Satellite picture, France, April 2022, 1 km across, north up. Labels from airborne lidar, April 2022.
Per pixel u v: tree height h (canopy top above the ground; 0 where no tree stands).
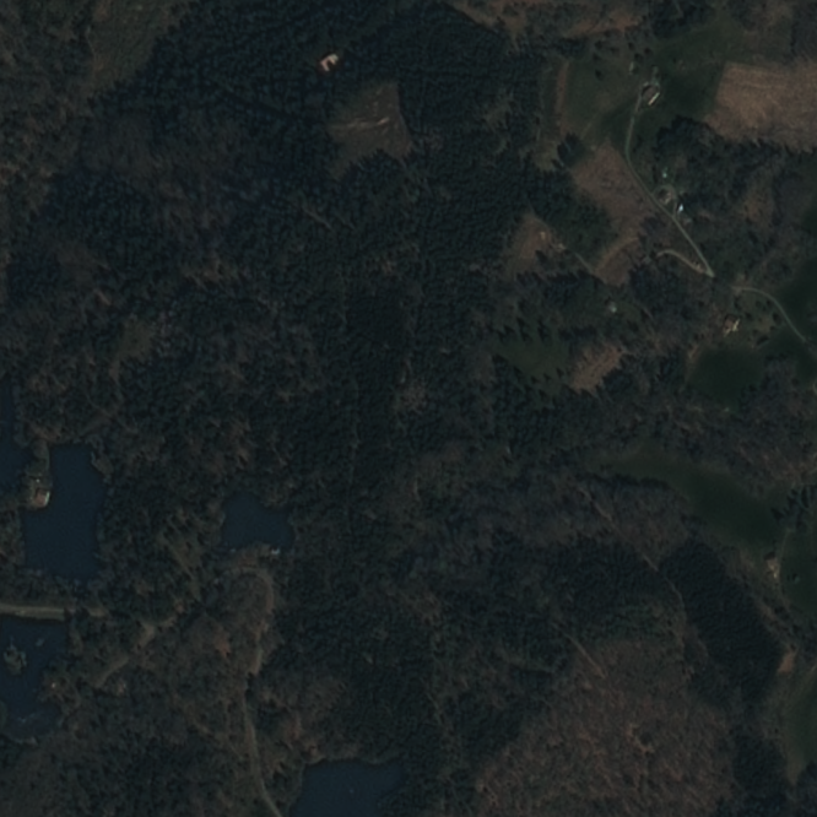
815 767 0
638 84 0
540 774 9
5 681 0
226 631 9
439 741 15
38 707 0
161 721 15
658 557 9
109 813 17
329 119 11
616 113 0
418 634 14
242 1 25
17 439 16
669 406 25
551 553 17
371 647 19
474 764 12
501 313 19
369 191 18
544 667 7
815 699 0
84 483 0
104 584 21
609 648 17
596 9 0
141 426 20
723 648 18
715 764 16
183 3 12
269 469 12
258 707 21
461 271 23
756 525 0
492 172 16
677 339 30
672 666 10
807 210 12
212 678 13
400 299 14
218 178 9
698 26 17
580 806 22
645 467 0
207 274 13
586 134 0
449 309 14
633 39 15
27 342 12
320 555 12
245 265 18
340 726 14
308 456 21
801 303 0
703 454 34
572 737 18
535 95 18
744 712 24
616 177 0
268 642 20
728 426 22
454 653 15
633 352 35
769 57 0
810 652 19
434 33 24
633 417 30
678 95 0
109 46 7
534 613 10
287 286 13
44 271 12
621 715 17
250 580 14
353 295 14
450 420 27
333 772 0
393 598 6
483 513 23
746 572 10
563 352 0
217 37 18
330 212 11
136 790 11
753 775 21
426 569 27
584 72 0
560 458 17
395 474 20
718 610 15
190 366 16
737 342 0
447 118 22
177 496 11
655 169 6
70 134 22
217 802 23
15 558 19
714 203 20
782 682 14
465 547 32
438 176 14
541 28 7
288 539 0
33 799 5
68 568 0
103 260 6
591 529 31
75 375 14
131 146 18
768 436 24
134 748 17
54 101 28
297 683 24
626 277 0
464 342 24
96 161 20
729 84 0
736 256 0
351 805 0
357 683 15
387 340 18
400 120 0
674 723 16
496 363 6
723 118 0
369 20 25
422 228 15
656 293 25
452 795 16
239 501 0
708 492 0
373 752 14
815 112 0
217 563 24
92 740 13
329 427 19
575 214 30
